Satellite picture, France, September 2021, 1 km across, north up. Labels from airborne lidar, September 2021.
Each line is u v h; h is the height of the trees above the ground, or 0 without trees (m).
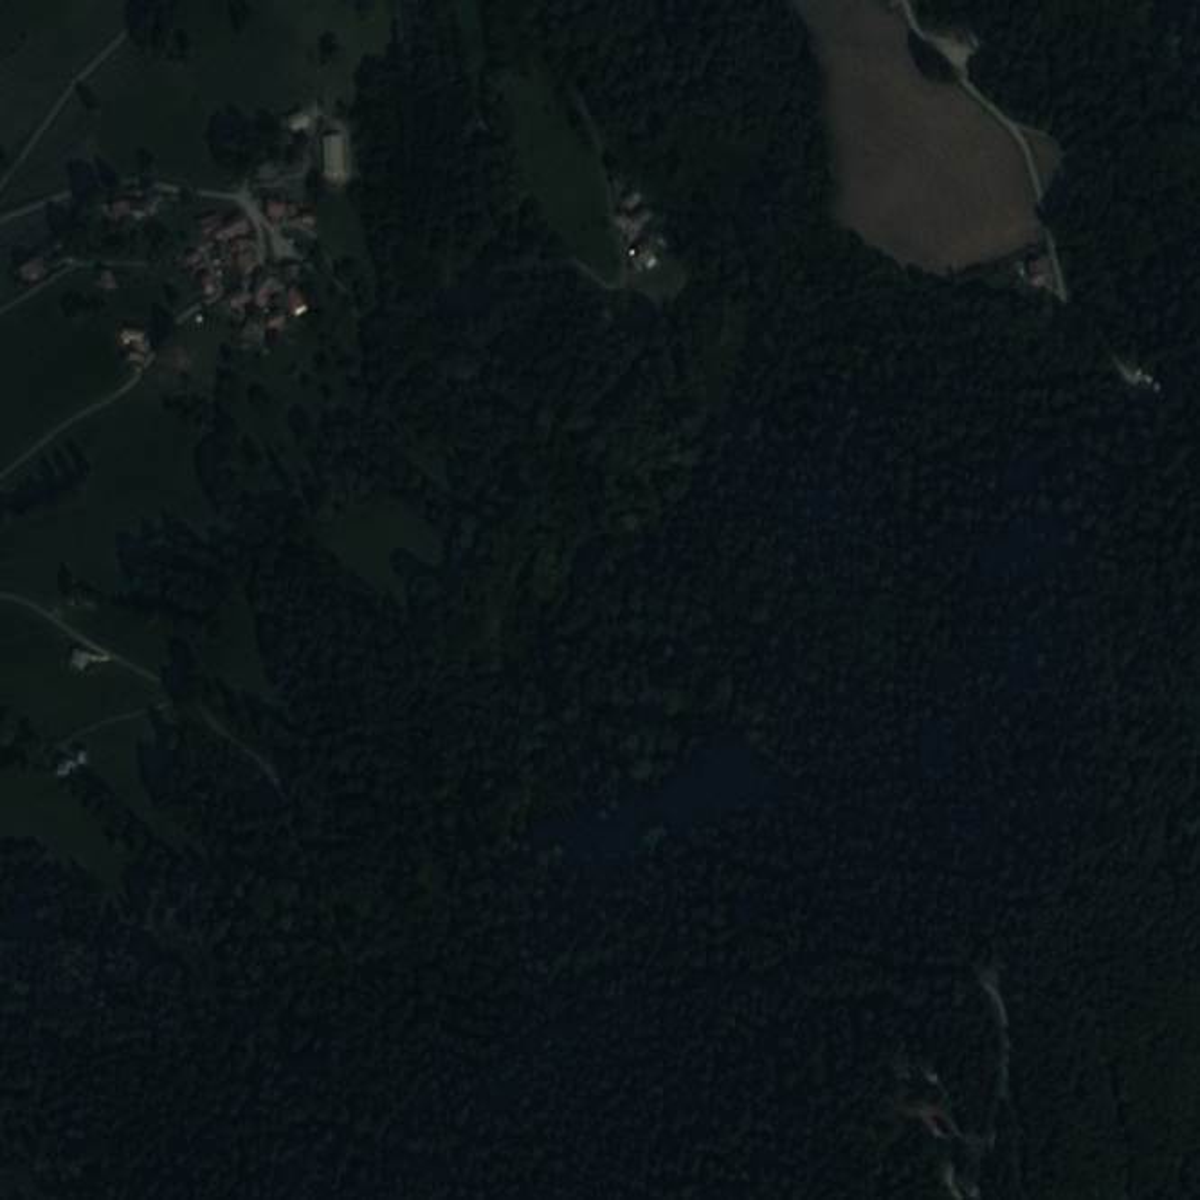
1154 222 40
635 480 28
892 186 0
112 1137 28
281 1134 23
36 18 0
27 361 0
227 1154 32
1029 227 0
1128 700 26
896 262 0
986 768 22
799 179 28
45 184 0
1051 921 26
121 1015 31
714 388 8
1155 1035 18
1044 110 34
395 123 25
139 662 0
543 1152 37
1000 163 0
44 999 34
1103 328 29
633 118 28
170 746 25
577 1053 27
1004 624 13
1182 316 27
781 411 10
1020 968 25
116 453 0
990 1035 26
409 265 20
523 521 32
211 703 25
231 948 13
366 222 10
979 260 0
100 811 25
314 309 11
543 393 27
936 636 26
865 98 0
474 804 17
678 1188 13
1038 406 20
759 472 26
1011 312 15
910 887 36
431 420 20
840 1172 25
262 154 16
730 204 0
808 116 26
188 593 30
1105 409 18
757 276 29
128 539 0
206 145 0
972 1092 30
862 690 27
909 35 0
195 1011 17
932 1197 29
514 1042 29
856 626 29
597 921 34
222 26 0
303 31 0
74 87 0
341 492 29
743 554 33
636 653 11
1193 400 18
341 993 31
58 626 0
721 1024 31
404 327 24
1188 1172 27
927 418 18
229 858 26
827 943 25
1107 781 15
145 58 6
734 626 23
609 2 32
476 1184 27
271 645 21
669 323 7
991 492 23
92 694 0
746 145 26
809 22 0
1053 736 27
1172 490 17
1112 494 27
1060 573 15
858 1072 26
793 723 30
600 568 33
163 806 31
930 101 0
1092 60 34
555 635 35
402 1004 20
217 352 0
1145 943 19
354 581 6
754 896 33
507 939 18
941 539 10
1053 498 21
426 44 16
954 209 0
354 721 25
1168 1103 19
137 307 0
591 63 28
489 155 26
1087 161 25
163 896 26
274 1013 18
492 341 38
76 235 14
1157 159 29
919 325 14
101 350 0
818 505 13
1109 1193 22
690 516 34
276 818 25
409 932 27
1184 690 21
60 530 0
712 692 37
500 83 21
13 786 0
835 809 30
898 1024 28
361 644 29
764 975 26
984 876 26
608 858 28
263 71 0
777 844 35
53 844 0
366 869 23
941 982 29
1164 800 23
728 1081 25
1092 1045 25
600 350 36
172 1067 35
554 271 23
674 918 31
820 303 20
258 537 29
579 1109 25
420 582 24
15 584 0
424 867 27
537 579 39
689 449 18
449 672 40
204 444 0
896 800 31
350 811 20
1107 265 13
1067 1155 22
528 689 35
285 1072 0
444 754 37
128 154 0
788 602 25
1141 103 28
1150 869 20
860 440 22
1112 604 19
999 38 22
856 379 16
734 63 23
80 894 12
